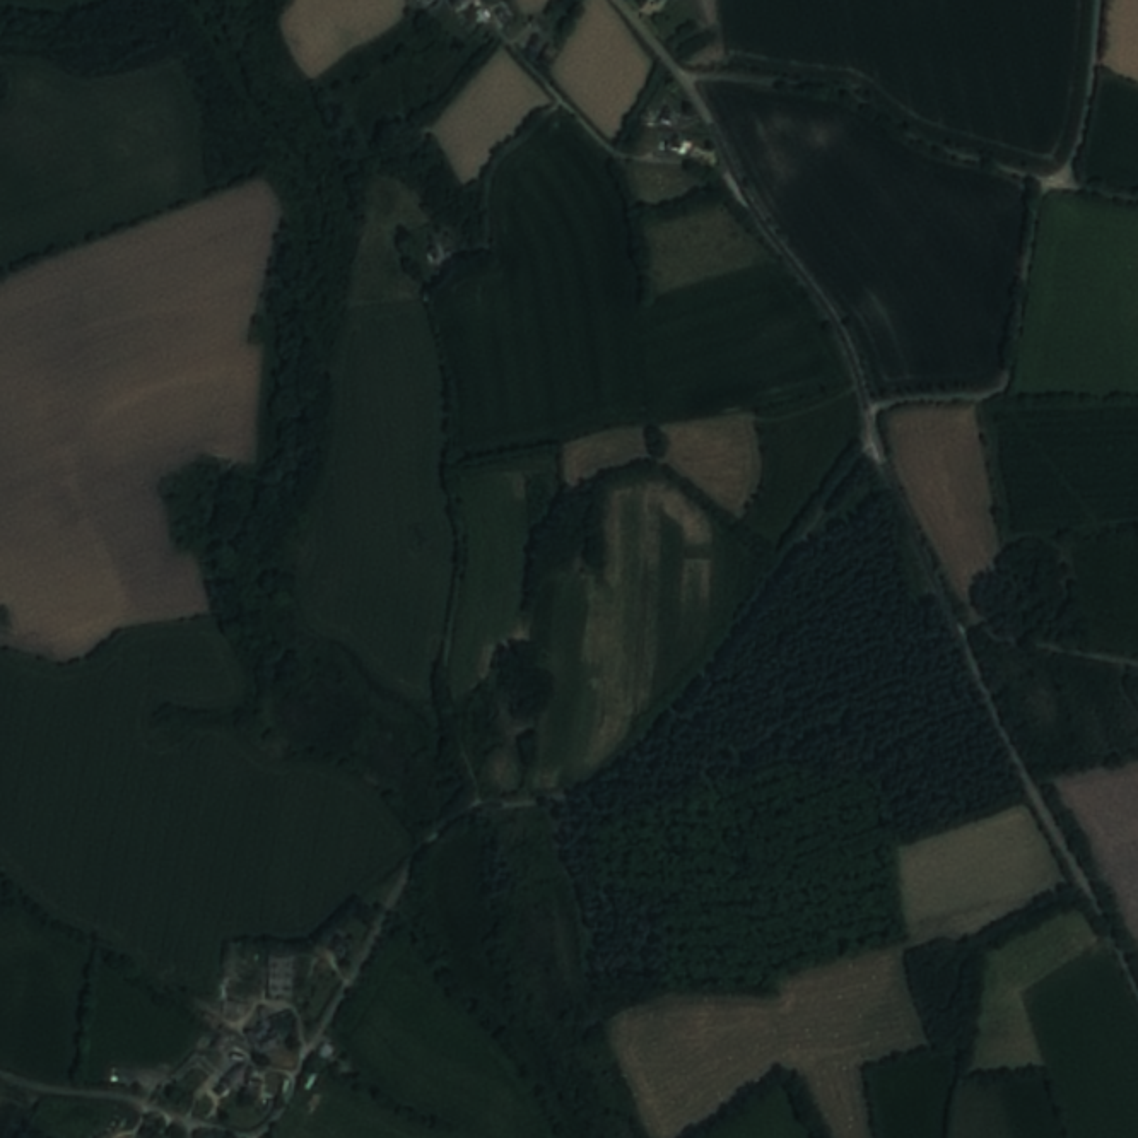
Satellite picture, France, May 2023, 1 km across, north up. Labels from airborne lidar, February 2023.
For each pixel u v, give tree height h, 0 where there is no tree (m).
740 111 0
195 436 0
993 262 0
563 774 0
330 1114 0
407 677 0
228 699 0
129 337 0
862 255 0
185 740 0
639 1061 0
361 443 0
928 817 23
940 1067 0
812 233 0
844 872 19
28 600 0
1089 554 0
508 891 23
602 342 0
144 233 0
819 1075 0
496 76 0
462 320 0
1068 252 0
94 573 0
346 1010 8
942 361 0
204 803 0
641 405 0
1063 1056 0
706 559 0
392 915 7
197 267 0
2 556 0
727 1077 0
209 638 0
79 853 0
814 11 0
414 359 0
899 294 0
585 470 0
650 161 0
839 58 0
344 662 0
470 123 0
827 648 26
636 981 18
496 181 0
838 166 0
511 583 0
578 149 0
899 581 16
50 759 0
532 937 0
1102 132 0
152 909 0
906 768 26
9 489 0
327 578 0
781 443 0
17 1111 0
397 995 0
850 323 10
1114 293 0
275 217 0
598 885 18
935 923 0
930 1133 0
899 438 0
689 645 0
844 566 20
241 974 0
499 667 14
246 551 24
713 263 0
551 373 0
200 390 0
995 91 0
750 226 9
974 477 0
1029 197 14
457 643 0
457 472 9
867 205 0
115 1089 6
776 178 0
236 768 0
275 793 0
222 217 0
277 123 8
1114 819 0
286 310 12
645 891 19
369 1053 0
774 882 20
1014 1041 0
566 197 0
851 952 15
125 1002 0
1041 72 0
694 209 13
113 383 0
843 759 24
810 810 18
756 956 22
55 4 0
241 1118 0
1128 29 0
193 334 0
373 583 0
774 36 0
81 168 0
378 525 0
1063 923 0
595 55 0
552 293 0
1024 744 17
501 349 0
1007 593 15
